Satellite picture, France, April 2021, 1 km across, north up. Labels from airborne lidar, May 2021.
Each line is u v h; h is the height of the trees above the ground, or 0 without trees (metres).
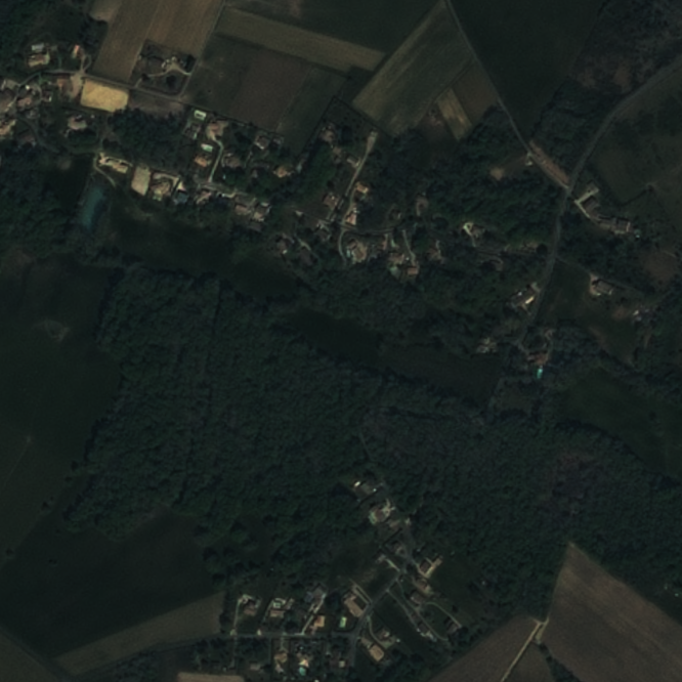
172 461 20
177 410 19
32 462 0
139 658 8
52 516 0
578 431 19
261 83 0
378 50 0
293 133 0
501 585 12
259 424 18
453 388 0
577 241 13
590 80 0
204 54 0
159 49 0
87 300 0
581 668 0
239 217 0
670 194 0
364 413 21
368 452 20
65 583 0
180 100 0
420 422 17
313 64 0
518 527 21
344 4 0
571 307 0
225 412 10
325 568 23
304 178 20
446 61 0
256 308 12
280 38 0
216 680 0
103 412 0
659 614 0
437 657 8
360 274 14
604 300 7
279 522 18
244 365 21
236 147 8
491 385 0
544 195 15
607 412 0
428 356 0
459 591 0
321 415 23
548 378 13
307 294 22
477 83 0
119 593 0
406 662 16
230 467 23
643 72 6
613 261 15
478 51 0
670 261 0
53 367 0
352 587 0
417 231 15
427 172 6
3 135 0
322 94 0
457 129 0
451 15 0
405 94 0
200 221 22
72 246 13
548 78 0
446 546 13
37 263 0
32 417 0
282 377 21
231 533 9
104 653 0
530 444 21
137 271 16
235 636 0
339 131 10
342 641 7
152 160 19
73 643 0
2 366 0
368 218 16
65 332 0
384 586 0
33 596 0
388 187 16
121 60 0
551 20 0
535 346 6
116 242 0
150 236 0
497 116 17
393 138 7
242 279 0
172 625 0
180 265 0
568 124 17
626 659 0
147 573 0
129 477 24
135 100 0
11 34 28
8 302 0
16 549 0
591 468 12
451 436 21
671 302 9
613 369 19
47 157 21
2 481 0
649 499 22
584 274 0
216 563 19
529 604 15
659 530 18
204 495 19
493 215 19
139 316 24
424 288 22
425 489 20
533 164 0
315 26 0
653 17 15
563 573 0
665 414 0
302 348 22
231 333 26
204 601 0
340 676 11
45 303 0
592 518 18
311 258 0
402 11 0
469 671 0
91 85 0
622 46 0
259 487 22
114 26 0
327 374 27
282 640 0
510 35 0
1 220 21
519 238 23
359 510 18
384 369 0
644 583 11
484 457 19
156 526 0
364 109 0
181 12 0
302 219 7
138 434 19
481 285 21
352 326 0
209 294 21
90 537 0
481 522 20
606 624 0
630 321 0
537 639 0
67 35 0
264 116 0
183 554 0
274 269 0
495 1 0
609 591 0
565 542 14
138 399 12
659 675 0
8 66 8
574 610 0
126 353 21
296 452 24
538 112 0
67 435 0
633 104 0
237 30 0
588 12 0
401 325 22
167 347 20
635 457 18
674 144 0
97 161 0
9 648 0
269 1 0
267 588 0
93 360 0
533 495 18
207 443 21
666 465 0
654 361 8
